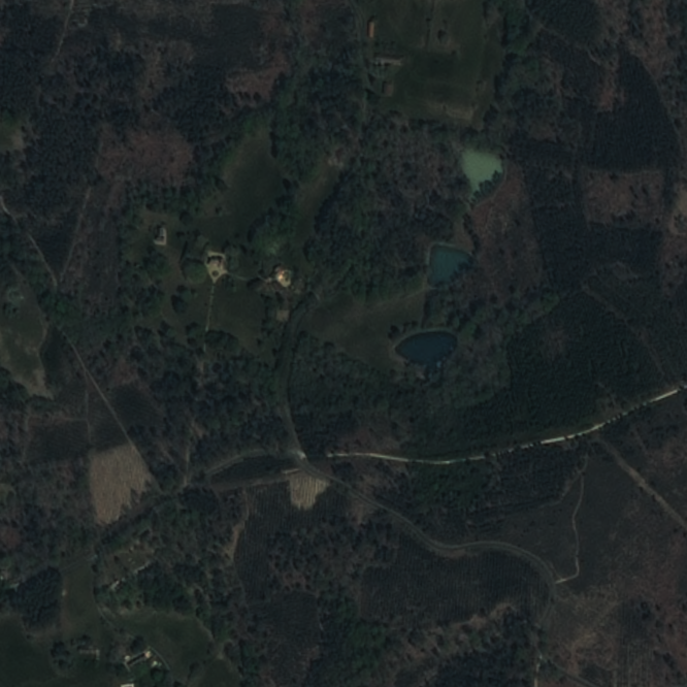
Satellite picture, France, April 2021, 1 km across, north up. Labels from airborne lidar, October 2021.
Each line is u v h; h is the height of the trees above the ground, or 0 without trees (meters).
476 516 10
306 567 9
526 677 13
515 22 19
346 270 21
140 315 15
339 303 0
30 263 14
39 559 12
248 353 8
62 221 8
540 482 9
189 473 18
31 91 21
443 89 0
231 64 6
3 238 15
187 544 11
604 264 13
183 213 9
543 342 9
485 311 22
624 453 7
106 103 10
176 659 0
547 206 9
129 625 0
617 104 12
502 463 10
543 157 10
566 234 11
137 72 27
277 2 22
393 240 28
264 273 8
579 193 10
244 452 13
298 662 6
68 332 16
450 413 8
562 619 0
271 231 21
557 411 12
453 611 6
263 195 0
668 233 7
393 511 17
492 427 9
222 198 0
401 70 0
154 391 9
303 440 9
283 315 0
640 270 11
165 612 16
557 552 0
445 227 27
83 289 10
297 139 23
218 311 0
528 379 11
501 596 7
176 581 14
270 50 6
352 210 22
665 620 10
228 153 22
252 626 19
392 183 6
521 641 17
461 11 0
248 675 21
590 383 12
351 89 31
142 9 0
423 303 0
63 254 9
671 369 7
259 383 18
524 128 29
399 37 0
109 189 9
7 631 0
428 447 9
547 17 27
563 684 9
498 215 0
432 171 9
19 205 9
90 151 19
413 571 6
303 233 0
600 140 10
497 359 22
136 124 10
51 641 0
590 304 10
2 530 13
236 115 6
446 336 0
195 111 13
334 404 10
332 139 18
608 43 14
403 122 19
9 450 12
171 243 0
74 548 17
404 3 0
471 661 14
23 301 0
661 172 7
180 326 0
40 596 25
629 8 9
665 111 10
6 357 0
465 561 7
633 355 11
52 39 10
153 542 8
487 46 0
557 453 10
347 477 21
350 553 6
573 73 14
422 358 0
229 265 13
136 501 12
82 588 0
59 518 17
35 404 14
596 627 0
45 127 23
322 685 16
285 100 24
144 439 22
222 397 20
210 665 0
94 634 0
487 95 0
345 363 10
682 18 11
